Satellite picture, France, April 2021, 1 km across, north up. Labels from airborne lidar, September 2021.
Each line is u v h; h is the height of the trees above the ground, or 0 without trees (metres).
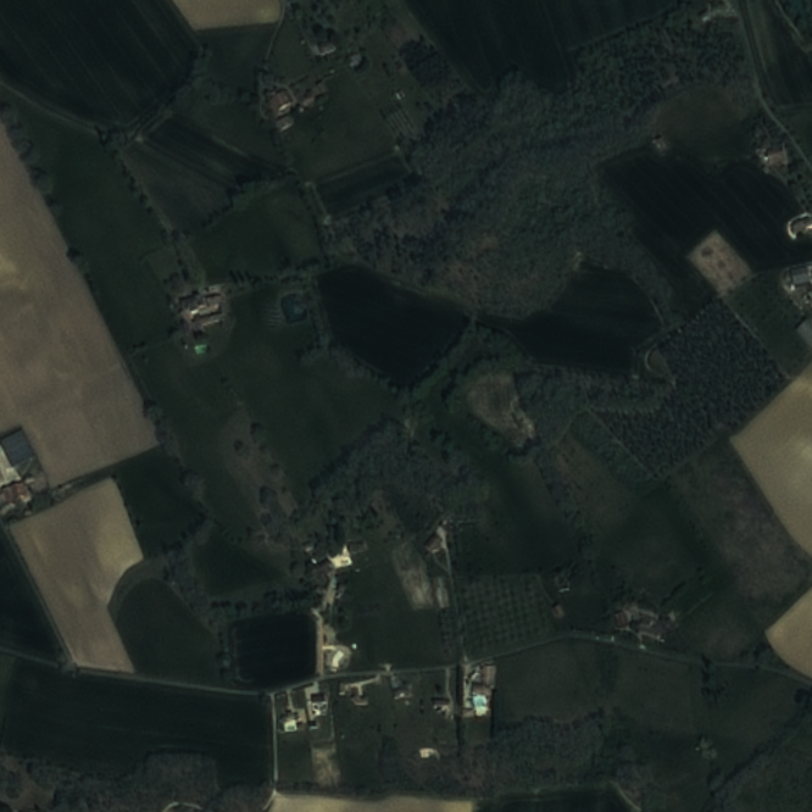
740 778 16
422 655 0
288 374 0
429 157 20
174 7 0
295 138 0
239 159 0
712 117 0
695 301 0
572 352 0
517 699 0
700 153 0
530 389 22
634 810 0
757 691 0
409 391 12
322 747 0
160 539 0
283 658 0
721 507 0
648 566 0
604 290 0
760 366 8
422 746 0
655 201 0
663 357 9
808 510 0
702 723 0
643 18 0
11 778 17
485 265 15
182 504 0
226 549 0
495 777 14
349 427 0
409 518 7
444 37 0
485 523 11
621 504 0
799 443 0
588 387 14
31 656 0
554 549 0
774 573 0
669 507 0
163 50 0
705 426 8
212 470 0
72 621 0
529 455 16
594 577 6
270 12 0
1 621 0
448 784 9
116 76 0
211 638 0
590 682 0
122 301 0
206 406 0
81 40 0
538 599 10
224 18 0
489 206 14
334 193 0
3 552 0
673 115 0
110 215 0
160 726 0
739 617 0
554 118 12
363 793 15
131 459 0
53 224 0
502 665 0
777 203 0
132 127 0
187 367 0
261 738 0
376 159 0
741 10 0
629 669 0
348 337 0
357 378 12
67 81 0
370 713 0
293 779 0
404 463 21
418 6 0
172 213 0
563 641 0
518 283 15
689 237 0
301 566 6
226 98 20
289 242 0
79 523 0
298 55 0
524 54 0
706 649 0
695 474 0
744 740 0
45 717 0
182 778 11
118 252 0
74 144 0
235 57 0
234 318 9
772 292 7
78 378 0
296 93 10
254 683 0
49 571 0
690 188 0
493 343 19
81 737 0
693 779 0
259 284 13
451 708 0
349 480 15
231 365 0
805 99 0
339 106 0
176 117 0
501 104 14
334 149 0
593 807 0
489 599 11
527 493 0
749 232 0
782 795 6
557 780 20
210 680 0
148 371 0
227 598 0
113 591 0
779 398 0
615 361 0
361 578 0
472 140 20
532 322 0
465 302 21
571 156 18
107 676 0
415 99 0
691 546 0
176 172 0
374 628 0
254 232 0
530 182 11
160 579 0
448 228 13
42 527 0
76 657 0
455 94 6
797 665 0
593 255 19
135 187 26
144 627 0
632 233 0
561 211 8
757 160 6
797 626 0
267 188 19
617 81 8
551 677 0
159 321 0
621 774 18
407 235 17
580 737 20
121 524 0
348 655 0
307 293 10
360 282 0
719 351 10
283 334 0
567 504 20
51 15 0
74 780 12
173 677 0
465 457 21
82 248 0
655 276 18
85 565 0
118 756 0
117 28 0
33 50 0
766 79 0
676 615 0
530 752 23
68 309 0
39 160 12
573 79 0
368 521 8
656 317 0
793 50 0
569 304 0
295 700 0
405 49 15
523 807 0
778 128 7
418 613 0
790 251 0
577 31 0
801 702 14
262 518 0
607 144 17
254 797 11
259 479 0
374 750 0
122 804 19
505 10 0
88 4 0
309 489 0
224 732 0
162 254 0
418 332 0
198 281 24
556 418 15
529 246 17
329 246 18
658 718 0
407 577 0
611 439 8
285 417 0
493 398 0
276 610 16
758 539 0
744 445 0
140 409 0
